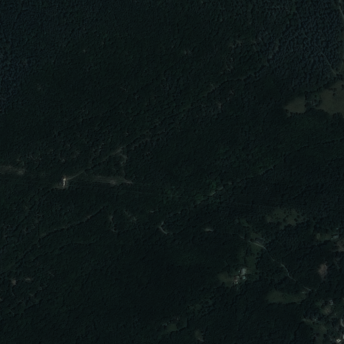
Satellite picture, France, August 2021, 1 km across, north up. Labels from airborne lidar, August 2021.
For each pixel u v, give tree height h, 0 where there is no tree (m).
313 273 22
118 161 8
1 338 23
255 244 0
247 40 21
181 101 22
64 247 22
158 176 23
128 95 14
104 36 15
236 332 22
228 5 17
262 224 20
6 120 17
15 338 22
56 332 25
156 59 26
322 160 24
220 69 14
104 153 17
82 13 17
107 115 18
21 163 6
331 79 9
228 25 12
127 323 20
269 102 18
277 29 18
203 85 15
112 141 14
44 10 17
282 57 26
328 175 22
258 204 24
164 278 23
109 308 24
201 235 19
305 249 26
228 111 21
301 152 24
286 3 23
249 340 26
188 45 17
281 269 12
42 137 15
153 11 17
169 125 19
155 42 14
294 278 22
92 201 17
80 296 22
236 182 14
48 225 17
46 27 16
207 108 14
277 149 20
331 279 25
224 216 24
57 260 22
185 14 16
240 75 13
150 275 25
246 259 12
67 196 20
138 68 15
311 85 21
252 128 18
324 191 18
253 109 22
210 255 24
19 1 19
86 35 12
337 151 23
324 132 15
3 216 19
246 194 25
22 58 17
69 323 29
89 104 18
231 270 19
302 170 23
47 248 21
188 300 21
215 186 14
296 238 27
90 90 17
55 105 12
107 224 29
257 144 17
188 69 19
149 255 29
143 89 19
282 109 18
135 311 26
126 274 27
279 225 15
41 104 14
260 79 16
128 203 22
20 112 16
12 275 23
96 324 23
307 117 17
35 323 30
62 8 14
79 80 13
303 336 22
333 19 27
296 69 26
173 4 16
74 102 15
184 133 20
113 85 14
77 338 15
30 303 23
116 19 16
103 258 22
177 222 18
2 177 8
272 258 15
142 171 25
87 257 25
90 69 17
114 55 17
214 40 14
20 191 16
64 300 20
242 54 21
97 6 17
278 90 15
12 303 28
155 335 20
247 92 17
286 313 25
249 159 13
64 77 14
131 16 14
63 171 17
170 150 23
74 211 22
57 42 12
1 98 7
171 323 15
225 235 18
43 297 24
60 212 19
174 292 23
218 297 15
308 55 27
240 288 9
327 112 7
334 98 0
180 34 20
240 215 24
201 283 20
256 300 23
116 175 20
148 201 23
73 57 15
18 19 15
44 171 18
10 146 14
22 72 21
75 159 14
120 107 18
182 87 21
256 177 20
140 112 24
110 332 23
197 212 21
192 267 20
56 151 23
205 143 21
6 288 24
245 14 15
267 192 19
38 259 22
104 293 27
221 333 20
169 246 24
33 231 24
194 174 27
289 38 28
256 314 20
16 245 19
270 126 19
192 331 21
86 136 15
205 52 16
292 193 16
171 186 17
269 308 20
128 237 25
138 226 17
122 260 26
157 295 23
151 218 19
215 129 27
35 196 16
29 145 20
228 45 17
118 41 18
